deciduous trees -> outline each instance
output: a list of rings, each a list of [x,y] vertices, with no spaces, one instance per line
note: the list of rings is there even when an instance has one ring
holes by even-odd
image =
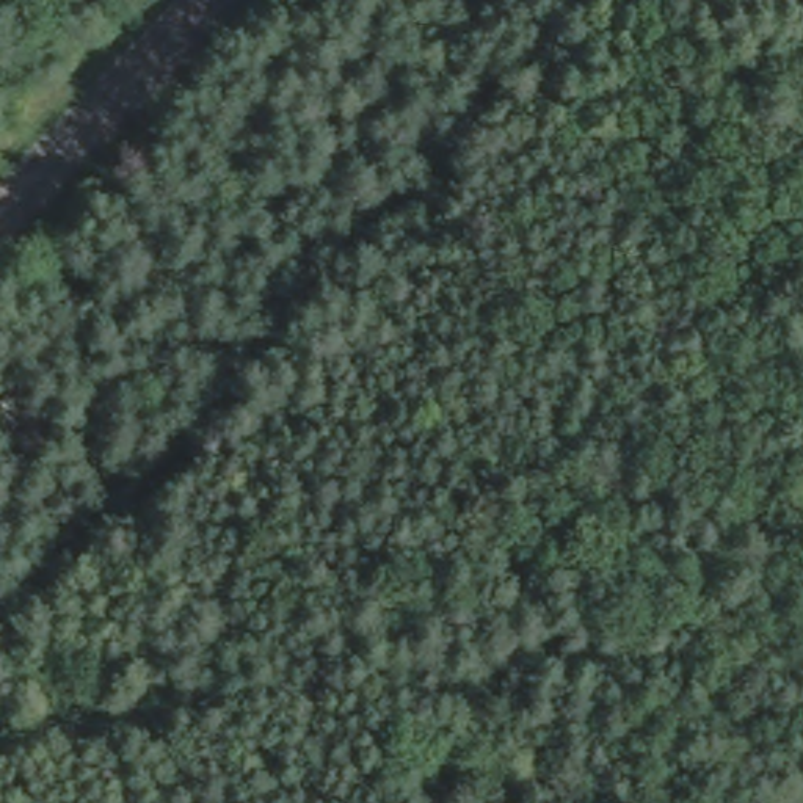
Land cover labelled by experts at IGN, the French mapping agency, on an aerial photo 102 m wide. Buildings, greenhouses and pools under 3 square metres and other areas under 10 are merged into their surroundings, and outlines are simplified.
[[[66,41],[63,25],[72,16],[72,0],[0,0],[0,50],[9,60],[28,60],[44,47],[56,50]]]
[[[420,552],[420,546],[402,546],[402,552],[389,565],[376,571],[376,599],[383,602],[380,615],[386,627],[398,624],[408,605],[423,609],[433,602],[427,555]]]
[[[392,747],[398,753],[392,756],[392,768],[408,768],[423,781],[439,772],[442,762],[449,768],[471,768],[477,794],[486,803],[489,803],[496,800],[502,781],[514,775],[514,759],[499,759],[496,743],[505,743],[505,734],[514,734],[521,718],[521,709],[511,709],[508,696],[499,696],[489,709],[489,718],[471,712],[467,737],[455,747],[449,747],[449,740],[439,731],[420,728],[414,715],[402,715],[398,731],[392,737]]]
[[[50,684],[38,665],[25,662],[28,646],[6,649],[0,656],[0,671],[6,678],[25,678],[25,684],[41,684],[47,712],[88,706],[91,712],[110,712],[110,699],[94,693],[100,678],[100,656],[91,649],[85,659],[63,662],[66,678],[60,684]]]
[[[19,254],[19,270],[31,282],[44,282],[60,273],[60,257],[53,254],[50,242],[28,238],[25,251]]]
[[[141,13],[125,0],[104,0],[97,9],[119,31],[141,19]]]
[[[587,100],[568,97],[561,91],[558,104],[546,116],[543,138],[527,138],[511,151],[489,154],[486,160],[477,160],[471,169],[464,154],[455,157],[455,169],[464,176],[464,185],[461,198],[449,204],[449,216],[458,220],[464,210],[480,216],[480,242],[467,251],[461,248],[461,260],[455,260],[461,270],[458,282],[471,292],[471,301],[458,304],[458,311],[467,320],[471,339],[461,339],[455,348],[445,348],[449,364],[439,367],[445,380],[442,398],[436,402],[436,408],[442,411],[442,423],[436,423],[442,442],[430,452],[423,464],[423,480],[436,480],[439,461],[449,458],[449,480],[461,486],[461,480],[471,474],[486,496],[461,514],[455,511],[449,492],[436,492],[436,511],[430,518],[439,524],[442,549],[455,561],[455,577],[445,596],[455,612],[474,612],[474,621],[489,618],[489,624],[496,624],[499,618],[511,618],[511,605],[499,602],[499,590],[514,580],[514,574],[508,571],[511,558],[527,558],[530,565],[571,571],[577,580],[593,571],[593,593],[615,596],[612,609],[599,612],[599,627],[605,634],[602,652],[630,649],[634,656],[652,659],[652,681],[646,696],[609,718],[612,737],[621,737],[621,762],[646,765],[637,803],[759,803],[762,781],[787,781],[797,772],[803,775],[803,546],[765,540],[768,555],[762,561],[759,583],[765,596],[753,593],[743,602],[731,605],[725,590],[715,599],[699,596],[703,571],[696,558],[662,565],[643,543],[643,536],[630,536],[630,524],[640,521],[643,508],[678,514],[681,508],[709,505],[690,524],[690,533],[699,536],[712,524],[715,536],[721,536],[731,524],[753,518],[756,511],[762,511],[772,521],[775,511],[784,511],[787,524],[803,524],[803,132],[775,122],[775,110],[743,110],[740,85],[725,82],[725,72],[747,66],[737,47],[740,38],[734,31],[721,35],[718,41],[706,41],[699,28],[684,25],[665,31],[662,22],[649,25],[646,38],[634,41],[634,47],[624,50],[624,56],[634,60],[634,78],[627,78],[627,85],[602,91]],[[587,442],[596,449],[618,449],[618,477],[609,483],[602,496],[596,496],[587,486],[590,461],[577,455]],[[747,753],[731,768],[731,784],[725,787],[721,800],[706,797],[706,790],[693,790],[687,800],[674,800],[665,790],[665,781],[671,778],[671,768],[665,765],[665,750],[671,747],[678,728],[690,728],[696,740],[747,740]]]

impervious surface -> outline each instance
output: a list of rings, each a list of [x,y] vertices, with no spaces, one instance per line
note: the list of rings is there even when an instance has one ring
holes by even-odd
[[[13,176],[0,173],[0,254],[13,242],[28,238],[50,242],[56,235],[69,235],[78,229],[78,223],[72,220],[72,191],[82,188],[82,179],[100,176],[107,166],[119,166],[122,154],[132,151],[135,138],[141,135],[141,119],[147,113],[157,113],[160,97],[173,91],[179,97],[188,91],[182,85],[182,75],[191,69],[198,35],[204,35],[213,25],[220,13],[245,6],[245,0],[125,0],[141,13],[141,19],[119,31],[113,44],[91,50],[78,63],[72,75],[69,110],[63,116],[47,119],[41,138],[31,147],[25,147]]]

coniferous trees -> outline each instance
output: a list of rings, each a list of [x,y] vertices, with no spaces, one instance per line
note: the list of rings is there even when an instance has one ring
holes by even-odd
[[[618,477],[618,449],[596,449],[587,442],[577,455],[590,461],[587,486],[596,496],[602,496],[609,483]]]
[[[687,800],[693,790],[706,790],[706,797],[721,800],[725,787],[731,784],[731,768],[747,753],[747,740],[696,740],[690,728],[678,728],[671,747],[665,750],[665,765],[671,768],[671,778],[665,781],[665,790],[674,800]]]
[[[104,0],[72,0],[72,16],[63,25],[66,41],[56,50],[44,47],[28,60],[9,60],[0,50],[0,173],[13,176],[25,147],[31,147],[41,138],[47,119],[63,116],[69,110],[72,75],[78,63],[91,50],[113,44],[119,31],[97,9]]]
[[[699,536],[690,533],[690,524],[709,505],[681,508],[678,514],[643,508],[640,521],[630,524],[630,536],[643,536],[643,543],[662,565],[696,558],[703,571],[699,596],[715,599],[725,590],[731,605],[743,602],[753,593],[765,596],[759,583],[762,561],[768,555],[765,540],[803,546],[803,524],[787,524],[784,511],[775,511],[772,521],[762,511],[756,511],[753,518],[731,524],[721,536],[715,536],[712,524]]]
[[[455,577],[455,561],[442,549],[439,524],[430,518],[436,511],[436,492],[449,492],[455,511],[461,514],[486,496],[471,474],[461,480],[461,486],[449,480],[449,458],[439,461],[436,480],[423,480],[423,464],[430,452],[442,442],[436,423],[442,423],[442,411],[436,408],[436,402],[442,398],[445,380],[439,367],[449,364],[445,348],[455,348],[461,339],[471,339],[467,320],[458,311],[458,304],[471,301],[471,292],[458,282],[461,270],[455,260],[461,260],[461,248],[467,251],[480,242],[480,216],[464,210],[458,220],[449,216],[449,204],[461,198],[464,185],[464,176],[455,169],[455,157],[464,154],[471,169],[477,160],[486,160],[489,154],[511,151],[527,138],[543,138],[546,116],[558,104],[561,91],[568,97],[587,100],[602,91],[627,85],[627,78],[634,78],[634,60],[624,56],[624,50],[634,47],[634,41],[646,38],[649,25],[662,22],[665,31],[684,25],[699,28],[706,41],[718,41],[721,35],[734,31],[740,38],[737,47],[747,66],[725,72],[725,82],[740,85],[743,110],[775,110],[775,122],[803,132],[803,0],[245,0],[245,6],[220,13],[213,25],[204,35],[198,35],[191,69],[182,75],[182,85],[188,91],[179,97],[173,91],[160,97],[157,113],[147,113],[141,119],[141,135],[135,138],[132,151],[122,154],[119,166],[107,166],[100,176],[82,179],[82,188],[72,191],[72,220],[78,223],[78,229],[69,235],[56,235],[50,242],[53,254],[60,257],[60,273],[44,282],[31,282],[19,270],[19,254],[25,251],[28,238],[13,242],[0,254],[0,656],[6,649],[28,646],[25,662],[38,665],[50,684],[60,684],[66,678],[63,662],[85,659],[91,649],[100,656],[100,678],[94,693],[110,699],[110,712],[91,712],[88,706],[47,712],[41,684],[25,684],[25,678],[6,678],[0,671],[0,803],[486,803],[477,794],[471,768],[449,768],[442,762],[439,772],[423,781],[408,768],[392,768],[392,756],[398,753],[392,747],[392,737],[398,731],[402,715],[414,715],[420,728],[439,731],[449,740],[449,747],[455,747],[467,737],[471,712],[489,718],[489,709],[499,696],[508,696],[511,709],[521,709],[521,718],[514,734],[505,734],[505,743],[496,743],[499,759],[514,759],[514,775],[502,781],[496,800],[489,803],[637,803],[646,765],[621,762],[621,737],[612,737],[609,718],[646,696],[652,681],[652,659],[634,656],[630,649],[602,652],[605,634],[599,627],[599,612],[612,609],[615,596],[593,593],[593,571],[577,580],[571,571],[530,565],[527,558],[511,558],[508,571],[514,574],[514,580],[499,590],[499,602],[511,605],[511,618],[499,618],[496,624],[489,624],[489,618],[474,621],[474,612],[455,612],[445,596]],[[386,627],[380,615],[383,602],[376,599],[376,571],[389,565],[402,552],[402,546],[420,546],[420,552],[427,555],[433,602],[423,609],[408,605],[398,624]]]
[[[787,781],[762,781],[759,803],[803,803],[803,775],[797,772]]]

